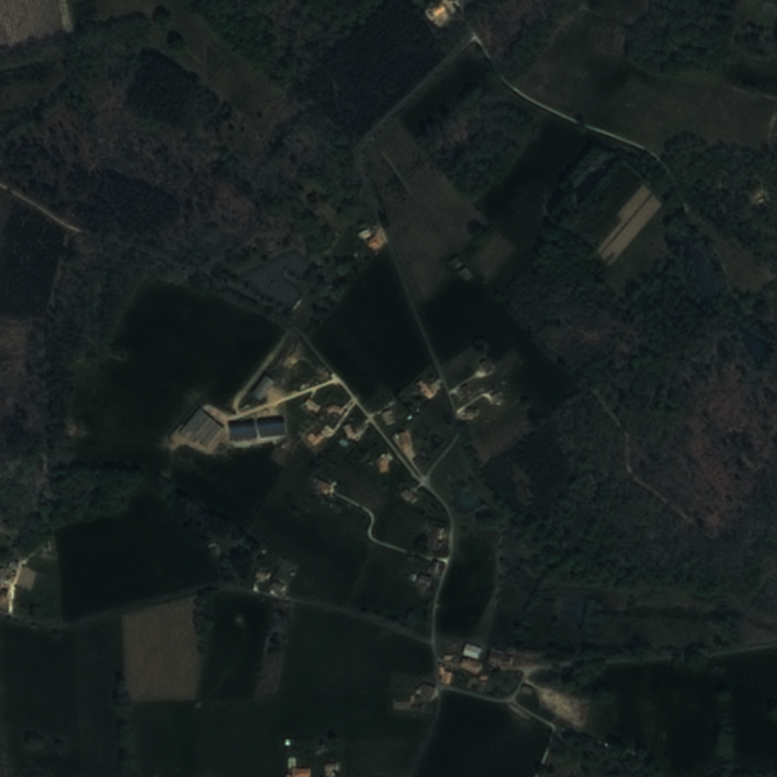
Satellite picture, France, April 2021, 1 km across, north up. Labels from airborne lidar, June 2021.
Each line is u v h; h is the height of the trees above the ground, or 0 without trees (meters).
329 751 8
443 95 0
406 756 0
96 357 15
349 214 18
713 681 0
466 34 14
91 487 16
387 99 9
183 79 21
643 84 0
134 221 20
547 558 13
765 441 9
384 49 12
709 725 0
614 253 0
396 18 15
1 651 0
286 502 0
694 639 0
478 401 0
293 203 17
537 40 18
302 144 11
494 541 0
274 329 0
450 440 0
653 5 11
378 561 0
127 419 0
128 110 16
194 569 0
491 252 0
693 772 0
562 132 0
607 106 0
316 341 0
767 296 11
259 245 11
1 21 0
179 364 0
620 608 0
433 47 9
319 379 0
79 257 23
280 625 0
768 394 13
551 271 5
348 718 0
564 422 9
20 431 17
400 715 0
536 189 0
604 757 17
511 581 8
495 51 12
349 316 0
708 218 21
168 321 0
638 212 0
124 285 18
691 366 10
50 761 0
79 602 0
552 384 0
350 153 17
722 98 0
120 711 17
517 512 12
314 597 0
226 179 17
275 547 0
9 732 0
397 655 0
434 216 0
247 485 0
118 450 0
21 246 6
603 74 0
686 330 24
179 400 0
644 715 0
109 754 0
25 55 17
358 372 0
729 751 16
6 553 12
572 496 9
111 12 0
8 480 18
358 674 0
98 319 16
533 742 0
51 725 0
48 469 19
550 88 0
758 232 11
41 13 0
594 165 8
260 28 17
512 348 0
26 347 7
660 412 18
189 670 0
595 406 12
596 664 18
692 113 0
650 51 21
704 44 16
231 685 0
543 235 0
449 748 0
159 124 17
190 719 0
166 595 0
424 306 0
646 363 14
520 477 0
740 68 0
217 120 9
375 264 0
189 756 0
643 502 13
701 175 14
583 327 7
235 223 9
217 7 16
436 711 0
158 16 13
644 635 0
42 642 0
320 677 0
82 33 16
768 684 0
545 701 0
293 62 16
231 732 0
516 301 6
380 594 0
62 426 11
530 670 0
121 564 0
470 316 0
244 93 0
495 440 0
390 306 0
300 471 0
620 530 8
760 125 0
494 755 0
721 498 14
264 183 18
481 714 0
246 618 0
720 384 9
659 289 14
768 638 16
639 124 0
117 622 0
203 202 11
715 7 9
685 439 9
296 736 0
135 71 11
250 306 14
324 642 0
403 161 0
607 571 20
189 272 24
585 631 8
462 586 0
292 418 0
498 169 23
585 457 7
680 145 16
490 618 0
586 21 0
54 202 17
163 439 0
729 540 14
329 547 0
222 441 0
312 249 17
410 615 9
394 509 0
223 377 0
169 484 14
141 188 19
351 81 8
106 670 0
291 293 0
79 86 19
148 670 0
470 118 12
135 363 0
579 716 0
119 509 14
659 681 0
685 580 23
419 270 0
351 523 0
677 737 0
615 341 9
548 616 0
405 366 0
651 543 14
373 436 9
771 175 18
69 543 0
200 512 15
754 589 17
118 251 11
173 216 19
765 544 17
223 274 6
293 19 11
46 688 0
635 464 9
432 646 0
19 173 13
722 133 0
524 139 13
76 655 0
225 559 12
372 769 0
